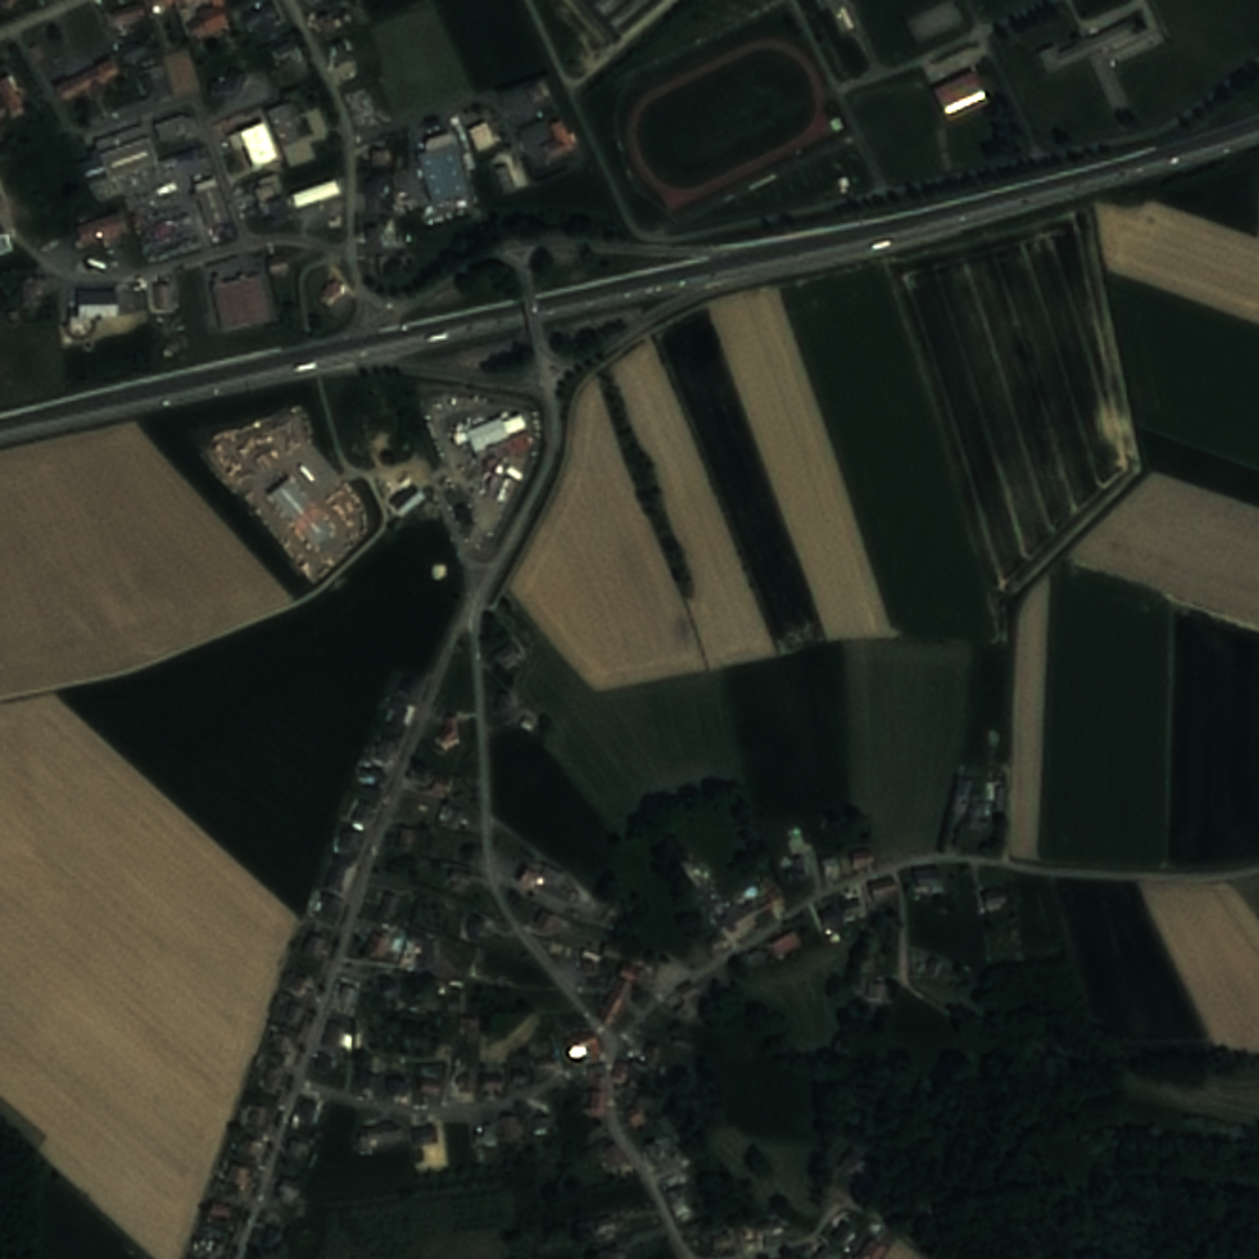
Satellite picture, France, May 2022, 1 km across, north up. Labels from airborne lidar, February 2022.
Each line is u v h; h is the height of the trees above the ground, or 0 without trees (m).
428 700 0
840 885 0
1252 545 0
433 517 0
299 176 0
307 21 0
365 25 0
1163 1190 26
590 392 0
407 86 0
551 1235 13
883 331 0
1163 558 0
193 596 0
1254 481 0
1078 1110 21
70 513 0
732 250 0
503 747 0
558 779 0
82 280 0
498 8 0
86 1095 0
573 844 0
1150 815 0
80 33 0
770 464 0
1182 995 0
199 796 0
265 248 0
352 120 0
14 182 0
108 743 0
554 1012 0
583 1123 0
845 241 0
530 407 0
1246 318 0
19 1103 0
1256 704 0
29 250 0
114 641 0
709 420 0
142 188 0
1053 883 0
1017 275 0
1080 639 0
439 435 0
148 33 0
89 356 0
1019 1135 9
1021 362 0
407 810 0
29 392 0
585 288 0
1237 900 0
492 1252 0
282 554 0
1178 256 0
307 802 0
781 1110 0
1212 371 0
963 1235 22
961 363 0
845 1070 17
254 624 0
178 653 0
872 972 0
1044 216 0
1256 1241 26
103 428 0
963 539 0
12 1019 0
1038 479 0
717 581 0
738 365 0
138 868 0
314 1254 0
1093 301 0
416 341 0
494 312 0
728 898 0
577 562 0
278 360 0
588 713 0
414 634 0
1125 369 0
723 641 0
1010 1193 28
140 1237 0
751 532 0
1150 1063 17
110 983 0
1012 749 0
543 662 0
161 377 0
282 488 0
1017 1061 22
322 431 0
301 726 0
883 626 0
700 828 0
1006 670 0
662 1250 0
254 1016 0
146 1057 0
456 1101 0
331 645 0
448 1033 0
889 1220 19
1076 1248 8
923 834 0
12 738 0
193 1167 0
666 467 0
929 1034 0
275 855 0
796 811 0
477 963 0
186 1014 0
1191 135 0
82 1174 0
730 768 0
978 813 0
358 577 0
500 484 0
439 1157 0
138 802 0
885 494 0
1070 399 0
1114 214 0
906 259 0
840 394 0
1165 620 0
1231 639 0
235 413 0
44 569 0
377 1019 0
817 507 0
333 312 0
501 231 13
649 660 0
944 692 0
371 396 0
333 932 0
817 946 0
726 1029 7
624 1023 0
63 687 0
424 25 0
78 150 0
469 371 0
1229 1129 6
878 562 0
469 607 0
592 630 0
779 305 0
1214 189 0
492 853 0
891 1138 28
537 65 0
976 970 0
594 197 0
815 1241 0
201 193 0
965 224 0
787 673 0
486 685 0
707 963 0
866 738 0
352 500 0
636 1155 0
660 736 0
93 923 0
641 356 0
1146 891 0
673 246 0
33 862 0
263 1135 0
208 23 0
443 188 0
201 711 0
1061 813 0
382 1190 0
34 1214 11
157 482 0
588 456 0
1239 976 0
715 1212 11
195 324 0
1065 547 0
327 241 0
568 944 0
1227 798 0
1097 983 0
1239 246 0
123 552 0
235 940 0
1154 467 0
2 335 0
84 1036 0
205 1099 0
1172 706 0
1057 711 0
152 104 0
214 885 0
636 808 0
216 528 0
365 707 0
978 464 0
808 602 0
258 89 0
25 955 0
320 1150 0
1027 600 0
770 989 0
